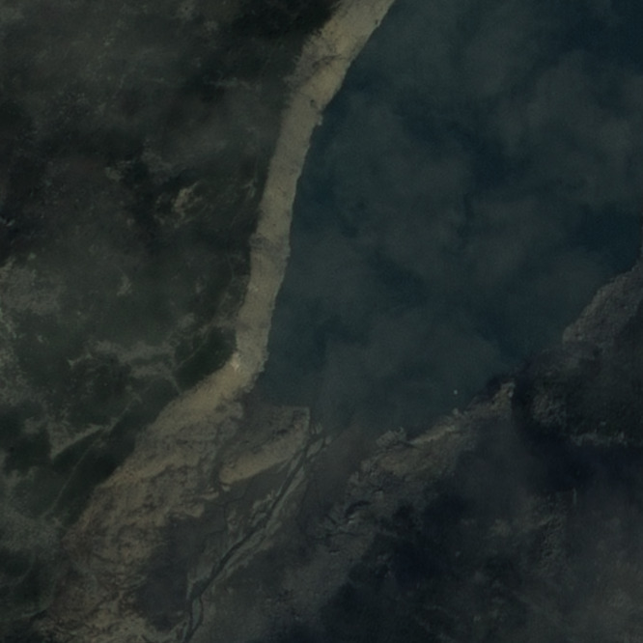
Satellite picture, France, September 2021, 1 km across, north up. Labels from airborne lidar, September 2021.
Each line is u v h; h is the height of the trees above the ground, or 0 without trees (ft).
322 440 0
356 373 0
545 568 0
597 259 0
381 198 0
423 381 0
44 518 0
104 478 0
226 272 0
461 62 0
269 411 0
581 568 0
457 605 0
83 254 0
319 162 0
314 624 0
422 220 0
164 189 0
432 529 0
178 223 0
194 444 0
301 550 0
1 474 0
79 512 0
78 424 0
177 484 0
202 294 0
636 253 0
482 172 0
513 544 0
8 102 0
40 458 0
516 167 0
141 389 0
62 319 0
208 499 0
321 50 0
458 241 0
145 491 0
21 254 0
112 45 0
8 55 0
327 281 0
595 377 0
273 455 0
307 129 0
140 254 0
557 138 0
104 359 0
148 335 0
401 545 0
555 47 0
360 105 0
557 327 0
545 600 0
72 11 0
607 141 0
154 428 0
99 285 0
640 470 0
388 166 0
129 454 0
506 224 0
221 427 0
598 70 0
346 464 0
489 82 0
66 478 0
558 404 0
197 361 0
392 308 0
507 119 0
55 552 0
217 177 0
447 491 0
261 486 0
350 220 0
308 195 0
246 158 0
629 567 0
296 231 0
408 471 0
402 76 0
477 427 0
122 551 0
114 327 0
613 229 0
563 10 0
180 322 0
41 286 0
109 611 0
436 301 0
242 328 0
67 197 0
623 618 0
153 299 0
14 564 0
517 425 0
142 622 0
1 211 0
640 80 0
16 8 0
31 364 0
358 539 0
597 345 0
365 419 0
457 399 0
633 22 0
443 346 0
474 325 0
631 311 0
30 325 0
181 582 0
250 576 0
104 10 0
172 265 0
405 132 0
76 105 0
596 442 0
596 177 0
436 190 0
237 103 0
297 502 0
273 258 0
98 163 0
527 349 0
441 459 0
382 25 0
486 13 0
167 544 0
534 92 0
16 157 0
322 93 0
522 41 0
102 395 0
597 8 0
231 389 0
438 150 0
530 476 20
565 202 0
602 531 0
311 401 0
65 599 0
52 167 0
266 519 0
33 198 0
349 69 0
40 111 0
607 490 0
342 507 0
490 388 0
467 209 0
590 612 0
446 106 0
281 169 0
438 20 0
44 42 0
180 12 0
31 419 0
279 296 0
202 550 0
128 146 0
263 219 0
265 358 0
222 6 0
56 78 0
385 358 0
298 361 0
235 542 0
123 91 0
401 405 0
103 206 0
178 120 0
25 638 0
